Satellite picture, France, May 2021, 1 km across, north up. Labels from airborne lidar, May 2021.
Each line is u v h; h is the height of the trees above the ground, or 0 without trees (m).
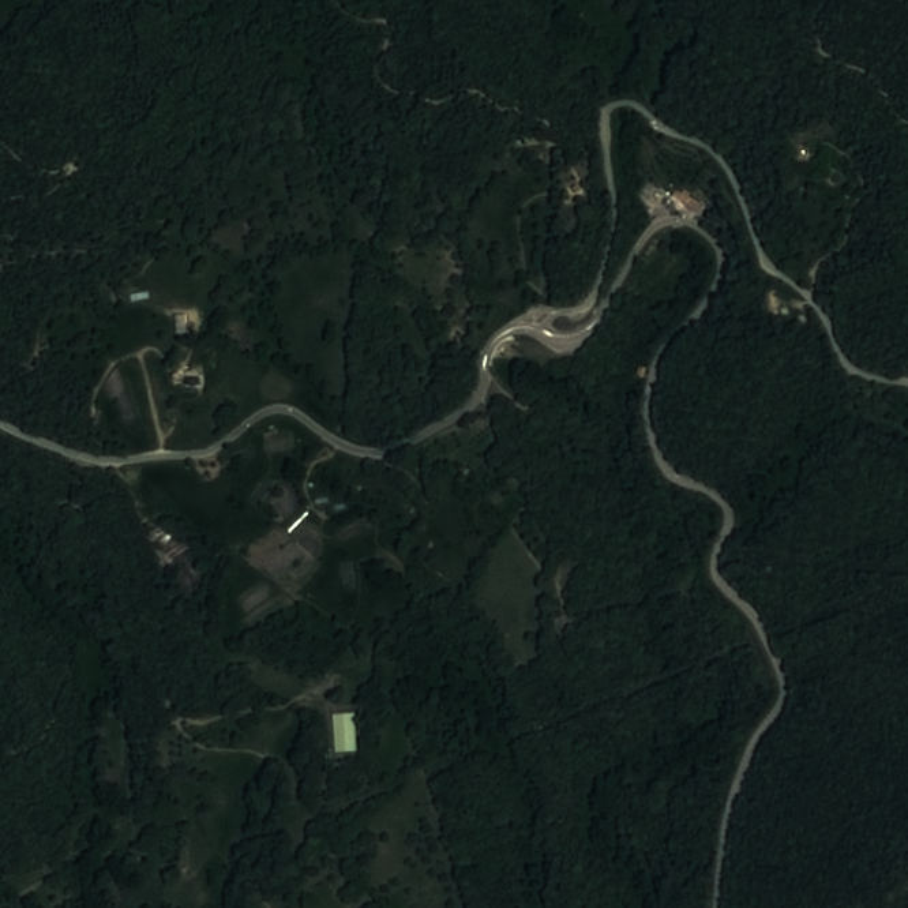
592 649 13
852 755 10
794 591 10
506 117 11
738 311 9
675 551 25
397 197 14
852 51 9
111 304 6
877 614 18
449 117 12
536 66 16
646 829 12
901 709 12
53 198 11
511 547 0
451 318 8
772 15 12
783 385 6
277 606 0
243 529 0
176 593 16
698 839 12
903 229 11
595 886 12
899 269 11
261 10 13
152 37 15
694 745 17
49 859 12
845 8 6
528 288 9
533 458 18
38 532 14
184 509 0
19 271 15
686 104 10
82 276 16
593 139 11
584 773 17
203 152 17
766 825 8
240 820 0
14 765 9
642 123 17
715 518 11
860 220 10
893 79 6
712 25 13
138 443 0
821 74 7
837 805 7
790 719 12
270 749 0
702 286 10
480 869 15
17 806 9
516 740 15
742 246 14
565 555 10
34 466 16
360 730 8
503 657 14
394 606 0
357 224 0
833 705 11
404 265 7
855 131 10
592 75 15
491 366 0
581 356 13
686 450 10
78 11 13
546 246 14
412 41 15
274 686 0
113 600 15
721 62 10
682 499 14
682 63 13
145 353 0
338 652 9
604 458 22
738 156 13
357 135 15
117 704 13
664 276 0
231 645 13
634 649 16
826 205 7
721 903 11
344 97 19
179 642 15
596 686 13
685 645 16
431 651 9
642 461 14
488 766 16
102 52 13
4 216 11
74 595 18
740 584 12
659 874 9
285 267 11
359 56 7
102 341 8
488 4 17
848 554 9
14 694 7
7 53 7
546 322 0
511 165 0
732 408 10
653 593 21
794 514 12
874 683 15
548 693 18
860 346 6
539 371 17
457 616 16
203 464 7
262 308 12
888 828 8
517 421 13
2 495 13
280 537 0
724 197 14
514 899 19
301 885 14
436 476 14
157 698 16
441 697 15
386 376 13
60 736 8
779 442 10
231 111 11
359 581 0
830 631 9
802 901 7
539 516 13
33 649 10
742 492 19
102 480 13
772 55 10
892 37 8
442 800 17
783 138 14
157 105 17
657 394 11
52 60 9
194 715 14
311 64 17
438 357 13
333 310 0
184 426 0
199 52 12
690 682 13
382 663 8
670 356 12
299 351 0
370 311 12
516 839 15
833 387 10
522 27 15
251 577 0
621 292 11
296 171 17
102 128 10
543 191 0
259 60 11
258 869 16
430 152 13
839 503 15
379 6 7
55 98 10
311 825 12
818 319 11
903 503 13
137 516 12
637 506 16
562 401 16
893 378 13
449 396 13
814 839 8
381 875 0
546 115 11
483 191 16
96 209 16
